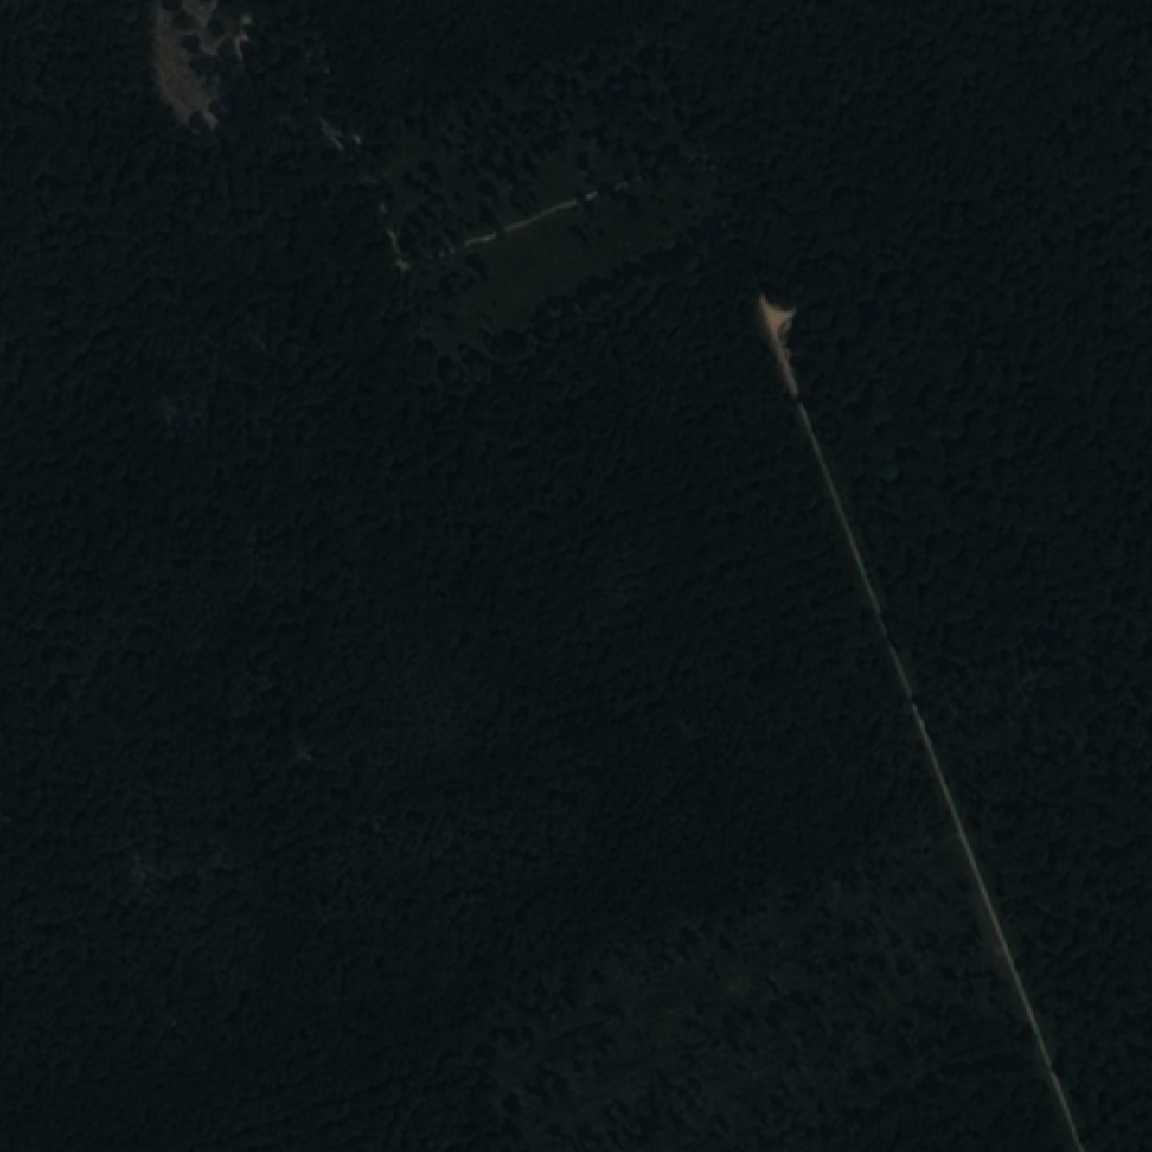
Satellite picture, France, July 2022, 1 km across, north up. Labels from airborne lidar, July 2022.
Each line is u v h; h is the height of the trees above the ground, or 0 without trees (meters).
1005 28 27
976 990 26
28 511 32
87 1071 19
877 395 27
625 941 19
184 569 19
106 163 26
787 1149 27
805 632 20
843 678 23
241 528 24
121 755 23
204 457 25
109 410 27
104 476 31
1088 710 29
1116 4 15
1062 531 29
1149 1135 26
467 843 22
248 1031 17
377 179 27
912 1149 21
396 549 21
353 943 19
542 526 26
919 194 24
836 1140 20
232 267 24
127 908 26
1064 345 27
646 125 23
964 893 17
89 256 25
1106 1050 21
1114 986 16
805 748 20
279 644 26
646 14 16
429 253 25
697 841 17
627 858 19
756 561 20
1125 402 28
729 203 18
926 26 23
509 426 21
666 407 22
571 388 15
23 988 21
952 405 29
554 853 23
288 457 28
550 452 18
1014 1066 26
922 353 28
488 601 14
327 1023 19
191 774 25
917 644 24
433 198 31
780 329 0
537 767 24
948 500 26
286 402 17
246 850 22
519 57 21
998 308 24
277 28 30
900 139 25
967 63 26
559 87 12
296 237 25
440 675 20
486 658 23
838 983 21
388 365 28
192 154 25
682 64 22
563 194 0
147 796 21
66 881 19
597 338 23
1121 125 28
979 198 26
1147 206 28
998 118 26
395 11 15
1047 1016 24
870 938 21
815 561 22
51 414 28
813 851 17
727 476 24
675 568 24
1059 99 30
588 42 14
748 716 18
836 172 27
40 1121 18
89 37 24
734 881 19
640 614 15
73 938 22
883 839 16
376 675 19
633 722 18
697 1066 24
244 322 22
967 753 27
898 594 28
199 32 0
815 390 21
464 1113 18
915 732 9
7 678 22
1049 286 27
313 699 19
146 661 26
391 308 11
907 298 26
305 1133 22
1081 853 27
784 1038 27
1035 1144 23
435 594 22
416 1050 19
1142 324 28
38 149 31
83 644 25
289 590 26
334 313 24
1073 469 26
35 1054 16
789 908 22
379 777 23
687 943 18
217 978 22
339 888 18
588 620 22
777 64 25
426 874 25
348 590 29
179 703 23
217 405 26
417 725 19
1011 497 26
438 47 18
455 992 17
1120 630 26
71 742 24
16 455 29
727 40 25
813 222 26
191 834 26
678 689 18
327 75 21
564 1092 29
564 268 0
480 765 24
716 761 19
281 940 19
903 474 26
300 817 26
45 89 27
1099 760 28
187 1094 19
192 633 25
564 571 22
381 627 21
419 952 23
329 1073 20
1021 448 21
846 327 24
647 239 0
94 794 24
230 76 26
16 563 24
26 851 26
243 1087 19
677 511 22
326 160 28
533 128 24
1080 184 26
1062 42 31
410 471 31
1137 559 27
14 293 24
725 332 21
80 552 26
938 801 20
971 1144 28
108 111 28
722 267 21
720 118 19
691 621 17
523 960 19
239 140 29
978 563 29
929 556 22
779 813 17
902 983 24
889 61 16
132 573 26
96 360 24
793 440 23
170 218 30
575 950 21
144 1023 19
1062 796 23
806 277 25
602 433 23
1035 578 28
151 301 28
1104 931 24
